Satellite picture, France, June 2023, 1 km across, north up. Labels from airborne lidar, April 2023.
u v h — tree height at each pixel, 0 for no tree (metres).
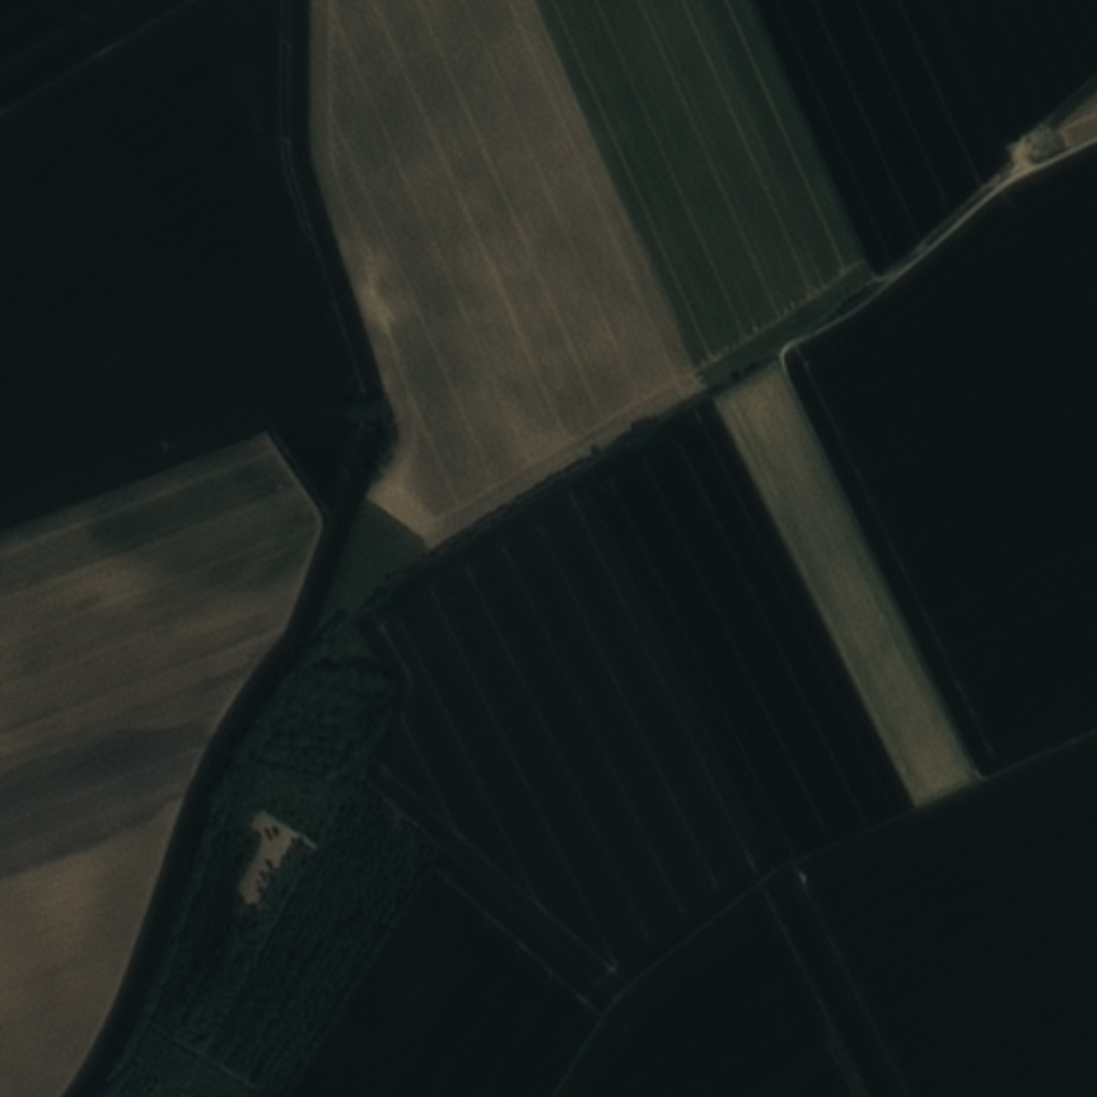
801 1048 0
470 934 0
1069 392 0
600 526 0
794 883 0
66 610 0
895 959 0
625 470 0
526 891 0
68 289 0
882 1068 0
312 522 0
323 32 0
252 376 0
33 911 0
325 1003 11
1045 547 0
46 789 0
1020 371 0
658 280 0
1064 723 0
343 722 22
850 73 0
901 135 0
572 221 0
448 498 0
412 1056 0
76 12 0
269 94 0
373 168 0
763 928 0
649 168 0
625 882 0
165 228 0
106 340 0
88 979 0
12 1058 0
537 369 0
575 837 0
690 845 0
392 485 0
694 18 0
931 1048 0
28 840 0
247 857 7
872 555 0
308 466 0
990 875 0
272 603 0
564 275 0
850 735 0
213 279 0
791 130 0
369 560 0
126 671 0
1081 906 0
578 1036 0
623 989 0
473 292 0
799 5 0
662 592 0
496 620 0
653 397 0
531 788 0
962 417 0
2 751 0
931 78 0
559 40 0
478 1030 0
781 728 0
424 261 0
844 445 0
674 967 0
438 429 0
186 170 0
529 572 0
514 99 0
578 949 0
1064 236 0
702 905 0
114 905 0
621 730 0
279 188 0
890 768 0
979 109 0
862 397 0
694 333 0
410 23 0
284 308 0
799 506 0
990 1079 0
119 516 0
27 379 0
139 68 0
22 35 0
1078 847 0
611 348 0
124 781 0
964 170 0
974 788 0
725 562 0
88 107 0
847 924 0
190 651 0
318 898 13
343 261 0
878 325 0
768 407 0
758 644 0
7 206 0
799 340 0
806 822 0
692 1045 0
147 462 0
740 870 0
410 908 0
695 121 0
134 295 0
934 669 0
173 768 0
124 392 0
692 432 0
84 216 0
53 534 0
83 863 0
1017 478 0
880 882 0
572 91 0
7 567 0
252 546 0
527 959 0
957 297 0
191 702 0
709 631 0
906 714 0
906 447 0
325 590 0
